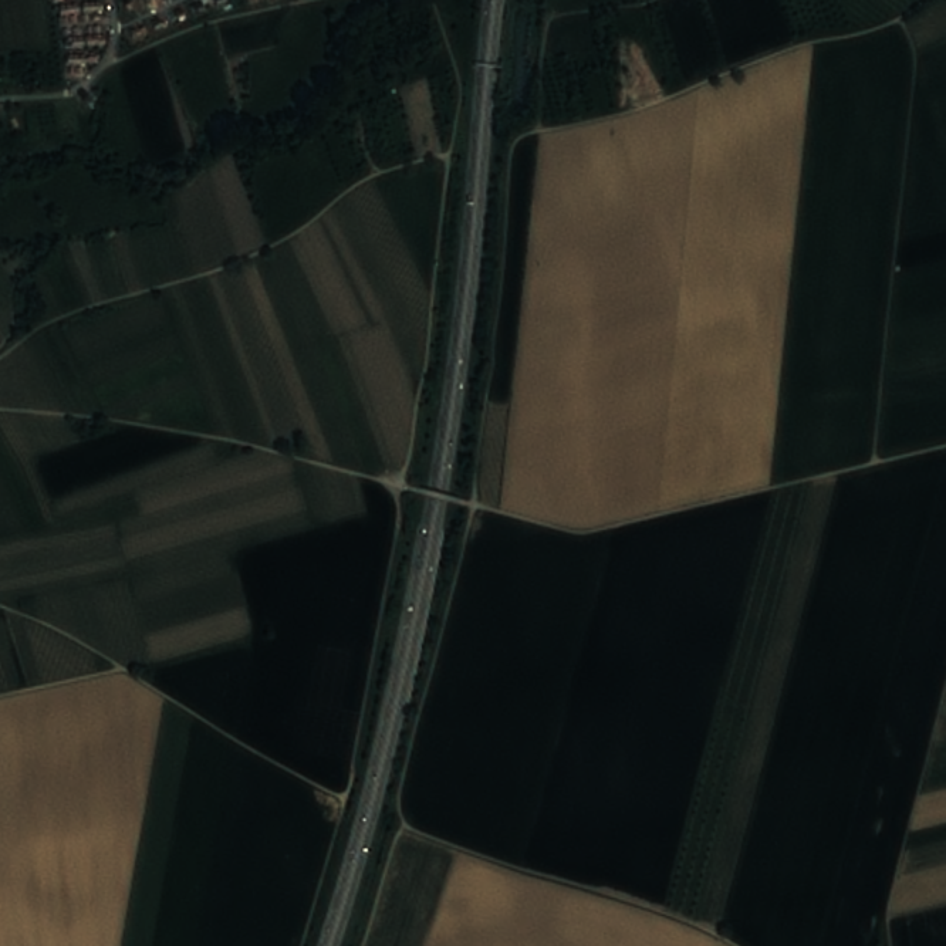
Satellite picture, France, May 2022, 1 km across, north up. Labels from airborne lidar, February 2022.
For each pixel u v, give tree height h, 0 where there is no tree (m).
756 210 0
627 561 0
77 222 0
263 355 0
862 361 0
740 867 0
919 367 0
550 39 0
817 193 0
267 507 0
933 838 0
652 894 0
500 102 10
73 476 0
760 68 0
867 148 0
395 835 0
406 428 0
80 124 0
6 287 0
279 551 0
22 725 0
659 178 0
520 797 0
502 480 0
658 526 0
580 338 0
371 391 0
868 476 0
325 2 0
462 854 0
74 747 0
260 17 0
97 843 0
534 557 0
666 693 0
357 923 0
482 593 0
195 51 0
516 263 0
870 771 0
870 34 0
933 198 0
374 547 0
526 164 0
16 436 0
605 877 0
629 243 0
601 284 0
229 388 0
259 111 0
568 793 0
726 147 0
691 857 0
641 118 0
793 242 0
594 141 0
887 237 0
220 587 0
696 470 0
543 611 0
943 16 0
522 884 0
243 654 0
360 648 0
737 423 0
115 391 0
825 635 0
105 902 0
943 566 0
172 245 0
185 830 0
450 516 0
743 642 0
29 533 0
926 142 0
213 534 0
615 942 0
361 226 0
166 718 0
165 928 0
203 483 0
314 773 0
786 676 0
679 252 0
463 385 0
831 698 0
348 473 0
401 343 0
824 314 0
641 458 0
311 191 0
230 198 0
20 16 0
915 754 0
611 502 0
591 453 0
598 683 0
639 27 0
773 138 0
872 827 0
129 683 0
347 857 0
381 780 0
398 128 0
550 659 0
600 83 0
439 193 0
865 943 0
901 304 0
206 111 0
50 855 0
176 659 0
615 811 0
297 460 0
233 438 0
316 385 0
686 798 0
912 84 0
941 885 0
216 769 0
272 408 0
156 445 0
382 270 0
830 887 0
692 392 0
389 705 0
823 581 0
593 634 0
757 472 0
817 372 0
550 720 0
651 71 0
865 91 0
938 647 0
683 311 0
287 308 0
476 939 0
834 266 0
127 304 0
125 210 0
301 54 0
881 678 0
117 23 0
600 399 0
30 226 0
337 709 0
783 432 0
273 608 0
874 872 0
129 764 0
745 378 0
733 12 0
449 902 0
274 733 0
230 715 0
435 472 0
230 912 0
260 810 0
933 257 0
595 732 0
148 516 0
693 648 0
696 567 0
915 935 0
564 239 0
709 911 0
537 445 0
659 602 0
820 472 0
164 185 11
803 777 0
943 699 0
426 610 0
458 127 0
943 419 0
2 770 0
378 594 0
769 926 0
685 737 0
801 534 0
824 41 0
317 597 0
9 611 0
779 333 0
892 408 0
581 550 0
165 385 0
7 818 0
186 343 0
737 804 0
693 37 0
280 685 0
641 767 0
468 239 0
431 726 0
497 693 0
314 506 0
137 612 0
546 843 0
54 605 0
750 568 0
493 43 0
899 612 0
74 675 0
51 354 0
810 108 0
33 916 0
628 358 0
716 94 0
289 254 0
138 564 0
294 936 0
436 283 0
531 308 0
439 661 0
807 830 0
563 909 0
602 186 0
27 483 0
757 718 0
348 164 0
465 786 0
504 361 0
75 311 0
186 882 0
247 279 0
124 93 0
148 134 0
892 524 0
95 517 0
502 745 0
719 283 0
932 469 0
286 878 0
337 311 0
